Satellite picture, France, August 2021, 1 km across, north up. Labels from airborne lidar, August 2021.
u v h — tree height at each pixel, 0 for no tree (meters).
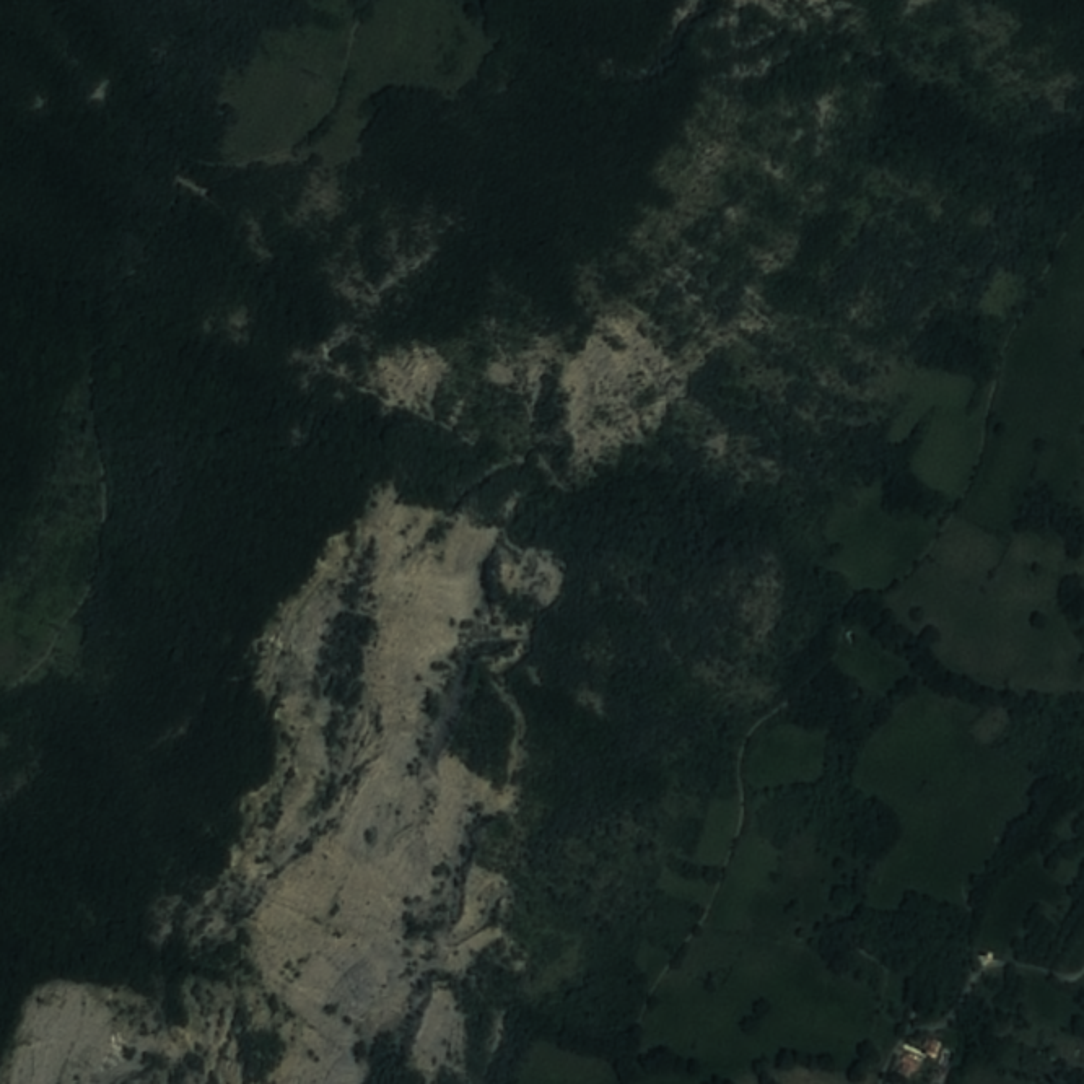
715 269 7
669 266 6
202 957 10
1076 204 14
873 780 0
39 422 13
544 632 10
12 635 0
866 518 0
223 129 11
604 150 17
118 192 14
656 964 0
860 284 7
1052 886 0
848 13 11
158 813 9
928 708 0
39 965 19
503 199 14
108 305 18
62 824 17
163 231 14
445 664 6
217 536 13
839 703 14
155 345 15
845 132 10
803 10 6
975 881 14
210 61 12
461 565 0
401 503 6
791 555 16
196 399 23
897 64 9
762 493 5
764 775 0
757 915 0
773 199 9
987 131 15
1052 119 8
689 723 11
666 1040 0
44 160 22
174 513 14
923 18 7
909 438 9
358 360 10
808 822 9
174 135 16
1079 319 0
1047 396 0
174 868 10
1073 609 10
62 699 12
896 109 13
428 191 13
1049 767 8
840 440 8
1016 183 9
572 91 17
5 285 29
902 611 0
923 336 9
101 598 14
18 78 8
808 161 7
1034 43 8
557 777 10
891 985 0
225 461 17
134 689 11
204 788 12
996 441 0
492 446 11
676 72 9
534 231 14
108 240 12
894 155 14
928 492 7
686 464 12
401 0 0
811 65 8
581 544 9
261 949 0
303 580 13
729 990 0
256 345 11
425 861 0
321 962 0
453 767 0
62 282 19
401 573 0
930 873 0
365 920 0
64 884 20
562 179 11
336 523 13
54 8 12
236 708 15
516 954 6
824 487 6
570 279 8
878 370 7
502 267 12
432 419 7
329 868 0
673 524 11
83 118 16
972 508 0
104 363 17
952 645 0
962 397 0
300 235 10
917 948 6
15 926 27
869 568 0
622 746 13
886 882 0
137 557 12
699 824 7
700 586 6
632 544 9
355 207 7
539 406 8
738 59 6
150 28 11
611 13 13
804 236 7
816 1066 12
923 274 11
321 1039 0
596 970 10
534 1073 0
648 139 16
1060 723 8
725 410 9
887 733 0
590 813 10
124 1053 6
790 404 6
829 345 9
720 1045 0
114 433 10
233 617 16
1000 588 0
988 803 0
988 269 9
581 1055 8
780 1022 0
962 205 7
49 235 15
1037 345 0
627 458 5
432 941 6
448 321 12
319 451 11
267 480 17
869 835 14
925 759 0
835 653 10
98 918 8
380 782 0
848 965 8
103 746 16
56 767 17
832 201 8
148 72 17
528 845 6
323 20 7
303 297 14
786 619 9
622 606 10
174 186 12
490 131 16
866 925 16
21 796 10
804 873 0
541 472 12
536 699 15
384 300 9
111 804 20
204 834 7
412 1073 6
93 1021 0
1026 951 9
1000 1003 10
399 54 0
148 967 20
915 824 0
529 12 15
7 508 16
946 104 21
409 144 11
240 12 10
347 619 7
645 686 10
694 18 9
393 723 0
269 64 0
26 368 19
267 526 13
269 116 0
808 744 0
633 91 10
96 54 18
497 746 6
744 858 0
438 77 0
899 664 0
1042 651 0
